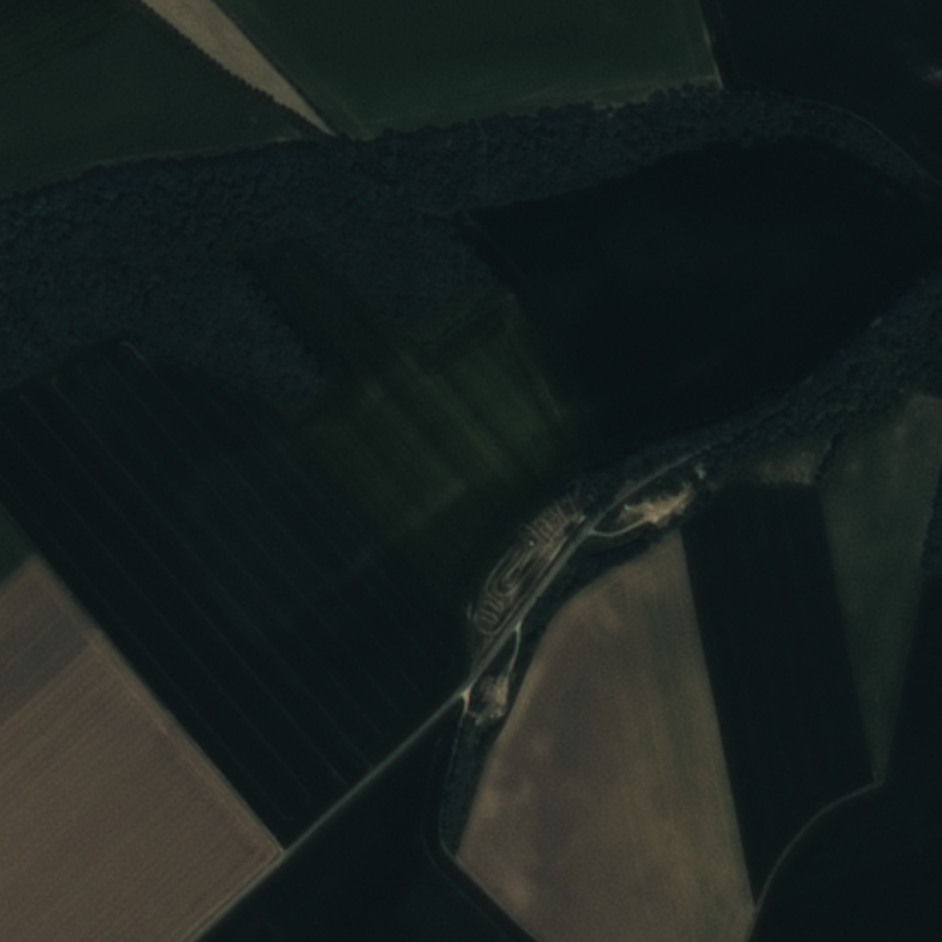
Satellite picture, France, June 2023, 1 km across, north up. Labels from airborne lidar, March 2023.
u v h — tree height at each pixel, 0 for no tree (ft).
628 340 0
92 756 0
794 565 0
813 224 0
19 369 46
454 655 0
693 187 0
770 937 0
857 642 0
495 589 0
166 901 0
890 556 0
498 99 0
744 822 0
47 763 0
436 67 0
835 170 0
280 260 0
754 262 0
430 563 0
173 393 0
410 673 0
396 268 71
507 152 57
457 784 26
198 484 0
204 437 0
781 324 0
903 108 0
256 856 0
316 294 0
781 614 0
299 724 0
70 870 0
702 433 45
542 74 0
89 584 0
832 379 64
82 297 59
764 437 54
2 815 0
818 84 0
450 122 0
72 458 0
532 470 0
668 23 0
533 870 0
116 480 0
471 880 0
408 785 0
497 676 0
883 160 28
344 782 0
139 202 81
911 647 0
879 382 52
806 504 0
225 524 0
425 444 0
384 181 74
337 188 78
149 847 0
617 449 0
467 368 0
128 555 0
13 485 0
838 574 0
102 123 0
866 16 0
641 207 0
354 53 0
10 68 0
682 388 0
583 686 0
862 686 0
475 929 0
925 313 42
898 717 0
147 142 0
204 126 0
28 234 73
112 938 0
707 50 0
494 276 42
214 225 89
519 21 0
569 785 0
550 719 0
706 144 0
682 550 0
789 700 0
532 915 0
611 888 0
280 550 0
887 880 0
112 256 57
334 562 0
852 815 0
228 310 78
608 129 75
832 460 36
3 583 0
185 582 0
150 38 0
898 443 0
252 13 0
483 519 0
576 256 0
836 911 0
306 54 0
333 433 0
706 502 25
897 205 0
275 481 0
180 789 0
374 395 0
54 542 0
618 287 0
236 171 73
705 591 0
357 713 0
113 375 0
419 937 0
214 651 0
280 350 71
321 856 0
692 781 0
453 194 71
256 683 0
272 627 0
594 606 0
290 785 0
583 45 0
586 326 0
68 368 0
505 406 0
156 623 0
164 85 0
